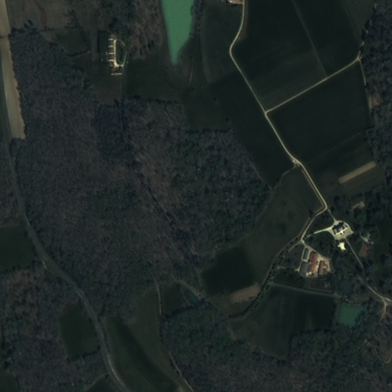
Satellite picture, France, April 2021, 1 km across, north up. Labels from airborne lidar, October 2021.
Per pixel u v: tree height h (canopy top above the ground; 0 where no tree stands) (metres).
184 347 21
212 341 25
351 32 0
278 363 16
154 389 0
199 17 11
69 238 29
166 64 0
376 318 16
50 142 19
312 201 0
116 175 23
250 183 17
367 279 17
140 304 0
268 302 0
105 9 15
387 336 25
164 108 19
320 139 0
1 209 24
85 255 25
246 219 16
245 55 0
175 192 21
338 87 0
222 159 22
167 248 19
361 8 0
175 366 14
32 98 23
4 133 0
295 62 0
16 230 0
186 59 0
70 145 17
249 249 0
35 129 20
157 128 24
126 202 21
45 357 24
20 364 21
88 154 19
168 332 20
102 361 15
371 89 21
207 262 15
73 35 0
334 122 0
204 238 23
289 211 0
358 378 18
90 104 23
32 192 25
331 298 0
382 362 17
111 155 16
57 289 28
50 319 21
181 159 16
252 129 0
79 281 24
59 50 22
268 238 0
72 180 19
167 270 19
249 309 8
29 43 25
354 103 0
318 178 0
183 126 22
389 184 20
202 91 0
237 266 0
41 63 26
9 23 0
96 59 0
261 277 0
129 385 0
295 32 0
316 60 0
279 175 0
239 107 0
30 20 0
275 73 0
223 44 0
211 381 16
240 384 16
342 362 22
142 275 23
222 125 0
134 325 0
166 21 0
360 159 0
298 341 20
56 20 0
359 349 22
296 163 0
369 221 15
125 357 0
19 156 24
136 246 19
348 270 20
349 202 17
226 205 18
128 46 18
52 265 0
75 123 18
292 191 0
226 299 0
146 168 19
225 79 0
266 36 0
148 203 24
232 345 23
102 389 0
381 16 19
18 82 22
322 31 0
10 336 20
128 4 19
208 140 22
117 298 27
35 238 0
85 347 0
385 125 16
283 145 0
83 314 12
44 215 27
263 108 0
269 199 20
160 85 0
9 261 0
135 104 18
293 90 0
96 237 26
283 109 0
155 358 0
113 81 0
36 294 22
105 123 18
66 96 25
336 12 0
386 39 17
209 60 0
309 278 0
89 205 25
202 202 22
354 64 0
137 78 0
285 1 0
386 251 0
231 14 0
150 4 19
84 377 20
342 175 0
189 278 22
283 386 16
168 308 0
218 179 14
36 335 8
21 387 20
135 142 19
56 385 19
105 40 0
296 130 0
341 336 23
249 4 0
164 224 15
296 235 0
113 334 0
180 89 0
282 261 7
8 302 21
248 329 0
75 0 22
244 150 12
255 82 0
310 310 0
